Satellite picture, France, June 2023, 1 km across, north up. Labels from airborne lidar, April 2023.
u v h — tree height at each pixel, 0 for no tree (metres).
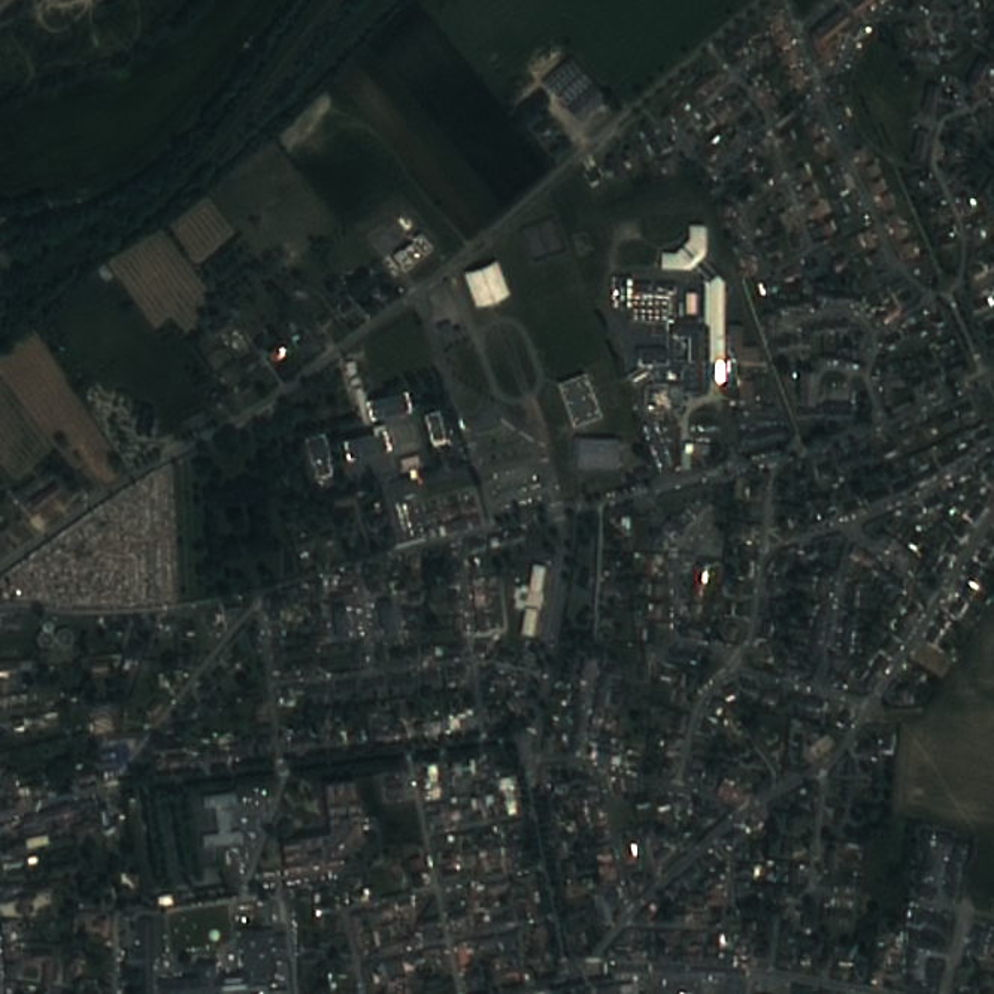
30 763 0
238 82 12
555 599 0
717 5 0
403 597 0
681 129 0
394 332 0
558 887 6
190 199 7
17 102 11
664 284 0
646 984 0
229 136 0
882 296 0
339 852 0
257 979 0
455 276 0
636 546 0
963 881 0
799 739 6
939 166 6
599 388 0
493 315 0
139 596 0
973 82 0
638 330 0
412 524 0
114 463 14
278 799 0
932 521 0
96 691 14
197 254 0
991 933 0
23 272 20
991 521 0
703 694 0
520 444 0
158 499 0
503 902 9
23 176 0
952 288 0
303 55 6
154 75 0
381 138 0
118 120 0
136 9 0
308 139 0
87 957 8
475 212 0
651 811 0
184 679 0
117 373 0
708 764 7
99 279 0
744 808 0
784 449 11
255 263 8
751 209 0
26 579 0
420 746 6
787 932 9
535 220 0
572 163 0
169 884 19
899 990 0
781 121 0
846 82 0
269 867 0
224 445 16
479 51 0
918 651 0
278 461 12
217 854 0
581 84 0
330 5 0
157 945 0
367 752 6
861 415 9
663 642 0
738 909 8
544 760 0
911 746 0
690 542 0
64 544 0
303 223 0
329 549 0
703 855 0
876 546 0
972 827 0
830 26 0
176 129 0
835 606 0
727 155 0
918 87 0
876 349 0
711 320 0
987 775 0
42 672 10
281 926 0
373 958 0
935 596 0
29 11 0
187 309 0
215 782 6
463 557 0
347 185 0
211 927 0
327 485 0
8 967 0
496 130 0
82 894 14
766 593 0
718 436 0
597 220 0
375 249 0
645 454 12
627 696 9
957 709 0
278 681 0
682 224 0
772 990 0
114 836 0
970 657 0
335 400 9
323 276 0
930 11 0
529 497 0
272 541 12
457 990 0
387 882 0
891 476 8
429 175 0
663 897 6
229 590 12
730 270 0
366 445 0
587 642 11
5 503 5
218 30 0
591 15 0
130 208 14
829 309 0
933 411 0
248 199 0
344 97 0
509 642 0
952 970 0
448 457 11
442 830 0
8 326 15
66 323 0
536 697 10
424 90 0
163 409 0
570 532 0
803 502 6
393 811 0
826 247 0
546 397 0
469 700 9
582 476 0
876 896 0
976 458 0
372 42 0
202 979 0
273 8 0
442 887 0
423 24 0
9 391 0
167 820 0
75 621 0
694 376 0
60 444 11
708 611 0
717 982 0
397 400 0
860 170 0
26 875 9
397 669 0
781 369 12
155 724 0
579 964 0
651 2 0
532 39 0
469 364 0
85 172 0
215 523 17
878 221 0
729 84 0
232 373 0
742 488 0
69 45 10
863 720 0
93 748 11
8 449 0
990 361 0
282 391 0
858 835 13
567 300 0
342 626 0
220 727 0
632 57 0
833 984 0
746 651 0
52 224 19
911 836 5
